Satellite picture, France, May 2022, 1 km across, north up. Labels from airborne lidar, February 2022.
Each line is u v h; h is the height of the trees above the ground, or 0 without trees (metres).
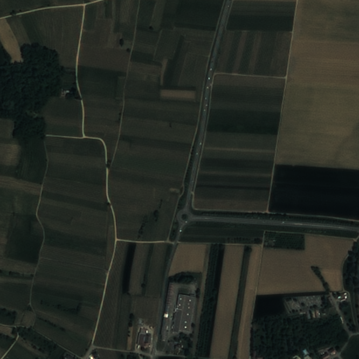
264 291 0
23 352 0
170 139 0
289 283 0
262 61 0
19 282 0
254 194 0
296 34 0
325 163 0
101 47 0
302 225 0
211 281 6
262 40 0
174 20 0
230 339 0
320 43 0
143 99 0
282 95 0
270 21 0
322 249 0
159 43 0
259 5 0
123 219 0
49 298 0
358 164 0
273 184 0
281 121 0
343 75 0
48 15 0
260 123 0
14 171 0
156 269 0
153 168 0
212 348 0
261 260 0
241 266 0
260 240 8
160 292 0
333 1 0
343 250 0
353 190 0
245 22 0
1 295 0
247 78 0
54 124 0
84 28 0
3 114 10
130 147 0
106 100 0
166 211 0
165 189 0
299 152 0
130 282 0
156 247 0
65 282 0
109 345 0
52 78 16
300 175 0
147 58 0
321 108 0
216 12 0
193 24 0
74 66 0
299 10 0
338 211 0
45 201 0
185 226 0
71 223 0
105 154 0
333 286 0
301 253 0
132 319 11
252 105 0
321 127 0
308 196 0
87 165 0
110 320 0
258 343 0
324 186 0
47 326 0
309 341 7
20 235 0
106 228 0
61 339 0
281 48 0
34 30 0
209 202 0
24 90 18
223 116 0
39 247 0
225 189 0
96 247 0
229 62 0
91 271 0
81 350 0
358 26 0
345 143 0
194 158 0
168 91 0
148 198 0
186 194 0
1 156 0
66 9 0
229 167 0
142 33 0
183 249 0
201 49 0
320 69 0
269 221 0
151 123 0
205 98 0
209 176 0
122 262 0
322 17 0
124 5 0
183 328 0
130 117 0
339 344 6
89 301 0
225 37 0
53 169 0
